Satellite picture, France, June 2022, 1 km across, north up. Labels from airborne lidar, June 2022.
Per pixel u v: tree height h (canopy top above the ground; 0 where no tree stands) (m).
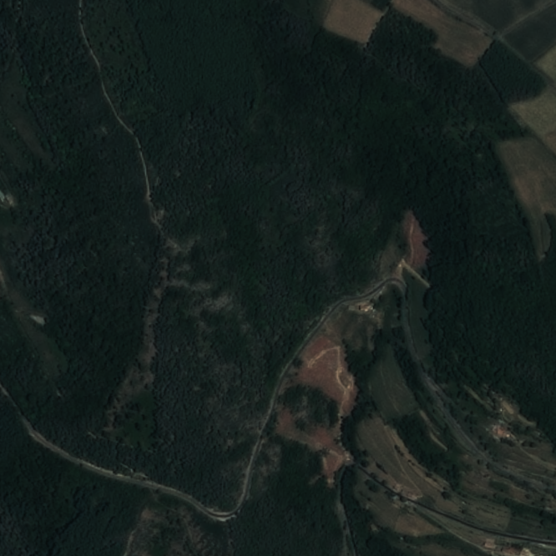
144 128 18
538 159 0
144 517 0
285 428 0
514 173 0
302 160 15
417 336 0
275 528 21
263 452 6
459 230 19
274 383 8
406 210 23
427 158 16
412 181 17
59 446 10
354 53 9
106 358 6
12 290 0
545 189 0
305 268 11
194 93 20
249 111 22
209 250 7
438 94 15
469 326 10
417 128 17
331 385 0
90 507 26
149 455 17
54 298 13
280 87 9
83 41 10
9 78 0
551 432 7
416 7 0
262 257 19
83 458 14
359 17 0
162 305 13
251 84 19
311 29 6
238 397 12
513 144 0
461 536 0
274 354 15
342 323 0
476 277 17
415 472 0
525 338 9
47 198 16
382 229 9
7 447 22
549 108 0
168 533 8
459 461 0
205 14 20
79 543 14
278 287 18
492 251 14
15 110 0
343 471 21
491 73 18
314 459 9
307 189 15
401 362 11
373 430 0
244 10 11
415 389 8
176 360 9
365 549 15
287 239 11
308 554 18
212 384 15
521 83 22
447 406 8
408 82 8
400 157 10
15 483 8
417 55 8
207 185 19
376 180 22
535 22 0
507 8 0
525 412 12
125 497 6
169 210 12
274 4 12
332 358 0
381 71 10
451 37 0
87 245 15
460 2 0
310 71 23
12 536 13
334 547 15
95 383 14
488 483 0
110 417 8
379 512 0
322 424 12
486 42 0
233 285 12
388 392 0
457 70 8
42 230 6
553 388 10
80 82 17
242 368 21
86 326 9
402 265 0
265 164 12
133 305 6
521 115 0
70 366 9
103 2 10
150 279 11
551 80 0
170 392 17
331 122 22
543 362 7
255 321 10
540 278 12
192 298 11
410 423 8
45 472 12
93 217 9
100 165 6
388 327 0
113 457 16
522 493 0
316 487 14
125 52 15
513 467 0
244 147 9
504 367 7
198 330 9
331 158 16
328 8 0
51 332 13
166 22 15
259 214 16
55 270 17
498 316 13
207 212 11
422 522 0
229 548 6
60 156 17
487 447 12
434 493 0
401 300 15
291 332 10
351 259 11
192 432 22
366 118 8
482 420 0
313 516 16
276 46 19
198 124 19
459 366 8
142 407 22
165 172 12
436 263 19
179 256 11
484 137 13
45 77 16
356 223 19
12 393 19
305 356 0
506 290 15
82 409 16
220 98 20
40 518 13
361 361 20
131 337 7
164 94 13
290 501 9
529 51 0
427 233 19
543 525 13
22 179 10
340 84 12
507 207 16
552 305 5
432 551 0
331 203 12
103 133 0
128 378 15
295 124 6
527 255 6
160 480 14
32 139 0
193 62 19
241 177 19
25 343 8
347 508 15
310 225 10
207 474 15
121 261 10
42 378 8
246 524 15
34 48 18
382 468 32
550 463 0
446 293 20
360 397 20
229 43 18
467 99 13
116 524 14
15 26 12
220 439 7
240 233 16
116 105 7
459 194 16
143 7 19
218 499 13
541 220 0
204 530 0
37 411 10
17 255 14
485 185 14
